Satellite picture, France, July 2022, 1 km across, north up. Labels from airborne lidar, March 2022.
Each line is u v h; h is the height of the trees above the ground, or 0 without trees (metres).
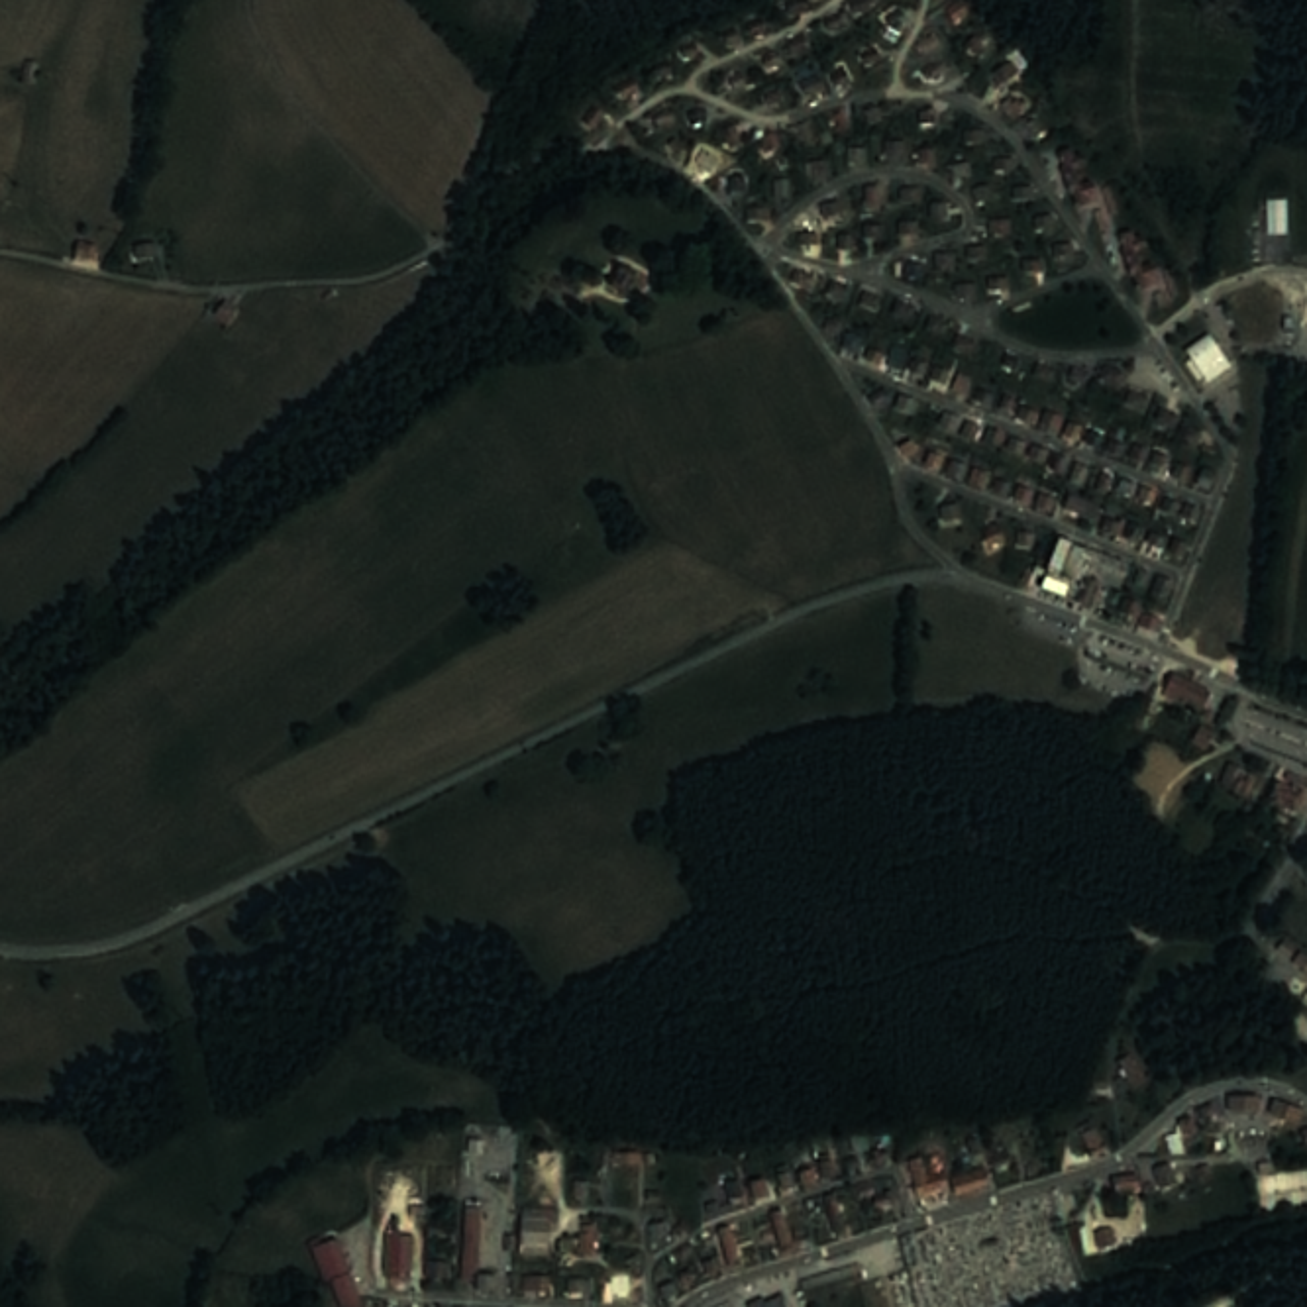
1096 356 0
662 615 0
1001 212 0
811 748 17
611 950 0
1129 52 0
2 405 0
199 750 0
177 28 27
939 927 19
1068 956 18
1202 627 0
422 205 0
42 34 0
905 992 20
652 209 0
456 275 29
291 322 0
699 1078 21
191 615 0
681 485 0
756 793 20
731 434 0
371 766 0
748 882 20
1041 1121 15
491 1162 0
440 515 0
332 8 0
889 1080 15
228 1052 20
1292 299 0
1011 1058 18
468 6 0
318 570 0
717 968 18
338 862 0
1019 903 17
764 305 16
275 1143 0
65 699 16
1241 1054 28
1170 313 0
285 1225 0
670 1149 18
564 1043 24
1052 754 19
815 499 0
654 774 0
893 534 0
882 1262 0
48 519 0
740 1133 20
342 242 0
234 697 0
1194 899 18
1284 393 26
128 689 0
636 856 0
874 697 0
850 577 0
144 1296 0
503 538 0
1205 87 0
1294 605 0
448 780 0
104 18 0
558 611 0
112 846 0
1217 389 0
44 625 17
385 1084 0
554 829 0
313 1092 0
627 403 0
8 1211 0
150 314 0
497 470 0
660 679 0
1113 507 0
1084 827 23
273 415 0
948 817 18
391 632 0
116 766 0
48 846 0
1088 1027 21
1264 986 11
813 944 21
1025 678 0
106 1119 25
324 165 0
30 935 0
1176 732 0
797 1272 0
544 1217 0
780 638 0
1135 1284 11
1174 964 0
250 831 0
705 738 0
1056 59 17
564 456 0
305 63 0
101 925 0
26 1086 0
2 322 0
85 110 0
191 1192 0
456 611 0
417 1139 14
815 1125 18
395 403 33
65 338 0
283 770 0
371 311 0
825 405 0
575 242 0
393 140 0
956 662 0
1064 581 0
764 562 0
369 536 0
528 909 0
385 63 0
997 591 0
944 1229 0
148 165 24
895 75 0
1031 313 0
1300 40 34
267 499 31
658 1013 18
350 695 0
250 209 0
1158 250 10
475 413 0
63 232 0
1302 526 0
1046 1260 0
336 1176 0
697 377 0
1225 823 9
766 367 0
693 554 0
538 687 0
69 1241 0
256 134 0
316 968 29
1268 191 0
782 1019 22
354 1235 0
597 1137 12
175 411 0
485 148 11
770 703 0
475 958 28
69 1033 0
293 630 0
